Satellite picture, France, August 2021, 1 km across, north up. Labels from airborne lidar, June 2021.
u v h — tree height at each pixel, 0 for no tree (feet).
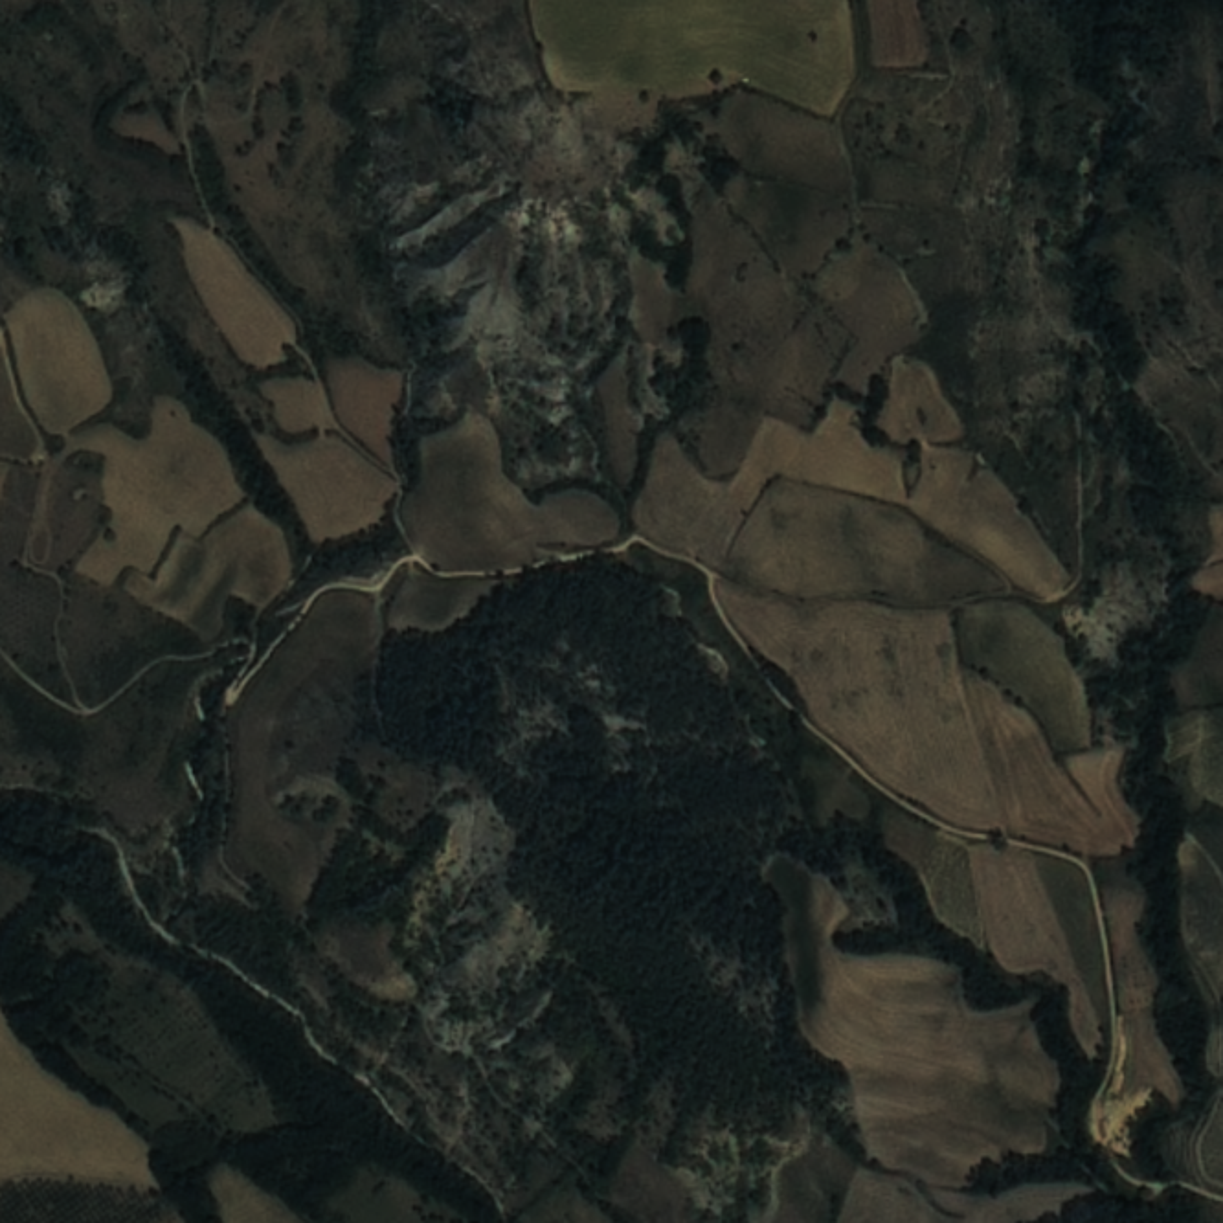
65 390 0
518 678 26
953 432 0
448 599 0
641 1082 27
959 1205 0
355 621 0
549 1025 26
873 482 0
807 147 0
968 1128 0
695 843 56
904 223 0
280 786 0
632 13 0
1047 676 0
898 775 0
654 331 0
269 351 0
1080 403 42
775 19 0
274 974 36
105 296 0
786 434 0
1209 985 0
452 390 0
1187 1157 0
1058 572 0
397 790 0
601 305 0
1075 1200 0
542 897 29
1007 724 0
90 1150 0
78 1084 52
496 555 0
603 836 67
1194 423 0
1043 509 0
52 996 43
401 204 0
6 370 0
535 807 35
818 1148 0
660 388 55
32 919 42
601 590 40
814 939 0
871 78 0
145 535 0
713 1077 26
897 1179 0
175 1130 21
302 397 0
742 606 0
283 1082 40
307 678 0
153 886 23
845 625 0
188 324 0
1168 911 55
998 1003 40
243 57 0
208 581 0
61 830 27
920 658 0
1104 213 22
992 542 0
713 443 0
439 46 0
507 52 0
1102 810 0
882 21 0
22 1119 0
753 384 0
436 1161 41
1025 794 0
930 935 41
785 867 0
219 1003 24
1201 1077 34
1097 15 47
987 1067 0
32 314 0
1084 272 43
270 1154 44
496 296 0
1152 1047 0
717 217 0
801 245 0
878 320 0
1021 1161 52
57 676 24
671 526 0
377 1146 55
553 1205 0
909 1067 0
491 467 0
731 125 0
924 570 0
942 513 0
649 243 38
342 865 37
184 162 22
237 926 23
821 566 0
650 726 36
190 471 0
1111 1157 61
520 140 0
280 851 0
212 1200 39
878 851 29
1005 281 20
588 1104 20
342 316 18
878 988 0
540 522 0
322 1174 33
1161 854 60
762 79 0
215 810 20
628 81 0
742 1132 20
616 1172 23
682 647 36
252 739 0
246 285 0
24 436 0
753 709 24
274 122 0
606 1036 43
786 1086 17
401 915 19
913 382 0
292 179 0
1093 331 46
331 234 0
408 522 0
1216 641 0
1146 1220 48
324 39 0
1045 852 0
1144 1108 17
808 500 0
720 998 27
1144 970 0
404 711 44
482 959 0
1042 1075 0
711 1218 25
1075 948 0
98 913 29
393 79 0
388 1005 23
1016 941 0
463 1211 41
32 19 29
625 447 0
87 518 0
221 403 26
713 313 0
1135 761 29
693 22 0
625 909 47
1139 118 47
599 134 0
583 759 38
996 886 0
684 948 21
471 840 0
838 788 0
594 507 0
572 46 0
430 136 0
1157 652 65
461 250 0
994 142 0
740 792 52
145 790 0
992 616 0
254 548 0
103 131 27
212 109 0
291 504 42
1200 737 0
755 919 56
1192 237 0
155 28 0
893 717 0
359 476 0
